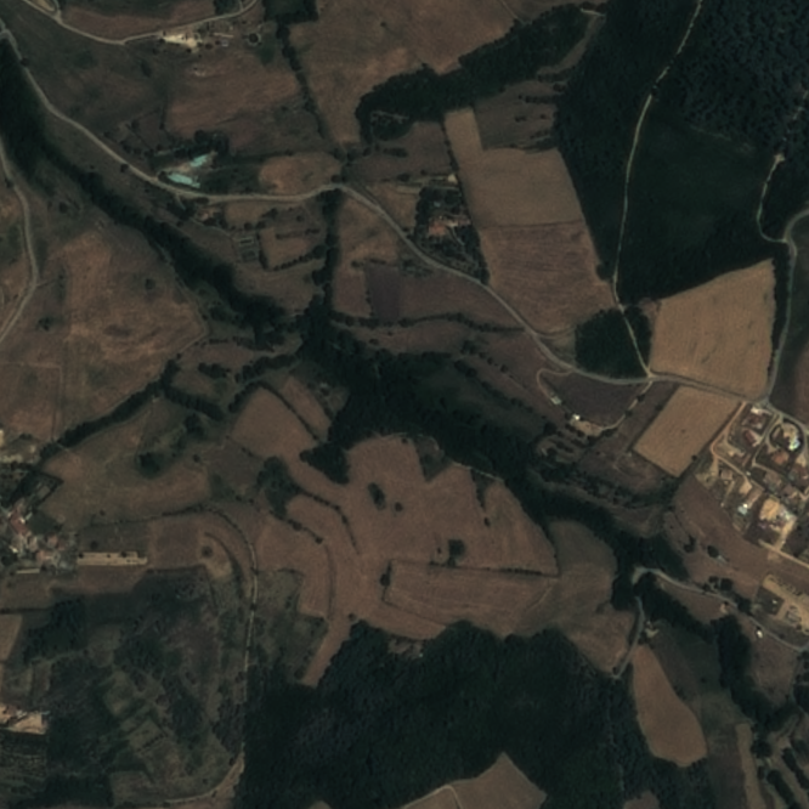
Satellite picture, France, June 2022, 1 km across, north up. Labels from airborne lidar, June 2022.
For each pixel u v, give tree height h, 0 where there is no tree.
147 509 0
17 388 0
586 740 10
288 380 0
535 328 0
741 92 9
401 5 0
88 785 10
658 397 0
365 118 9
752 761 0
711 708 0
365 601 0
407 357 14
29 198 0
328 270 14
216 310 6
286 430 0
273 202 0
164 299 0
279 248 0
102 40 0
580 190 8
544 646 9
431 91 11
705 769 10
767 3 29
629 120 9
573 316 0
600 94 13
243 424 0
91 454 0
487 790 0
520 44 7
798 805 15
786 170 13
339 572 0
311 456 14
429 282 0
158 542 0
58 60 0
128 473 0
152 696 0
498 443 23
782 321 10
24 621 0
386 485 0
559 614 0
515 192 0
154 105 0
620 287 7
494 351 0
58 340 0
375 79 0
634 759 19
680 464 0
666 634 0
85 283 0
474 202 0
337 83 0
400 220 0
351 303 0
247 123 0
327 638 0
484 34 0
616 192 6
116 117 0
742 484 0
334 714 11
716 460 0
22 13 0
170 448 0
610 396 0
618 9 9
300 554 0
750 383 0
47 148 16
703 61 11
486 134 0
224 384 0
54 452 8
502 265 0
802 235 0
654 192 7
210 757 0
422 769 12
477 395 0
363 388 8
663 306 0
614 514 9
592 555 0
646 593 18
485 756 9
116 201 16
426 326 0
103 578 0
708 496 0
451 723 9
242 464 0
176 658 0
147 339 0
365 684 21
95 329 0
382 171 0
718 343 0
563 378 0
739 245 9
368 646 24
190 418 11
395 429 8
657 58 12
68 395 0
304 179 0
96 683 6
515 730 8
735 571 0
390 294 0
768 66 29
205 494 0
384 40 0
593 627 0
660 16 20
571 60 0
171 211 11
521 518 0
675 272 11
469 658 18
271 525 0
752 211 6
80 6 0
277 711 10
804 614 0
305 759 20
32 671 0
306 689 14
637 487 0
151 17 0
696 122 28
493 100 0
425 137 0
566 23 8
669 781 15
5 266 0
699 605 0
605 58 14
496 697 8
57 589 0
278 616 0
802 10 29
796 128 27
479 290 0
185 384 0
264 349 6
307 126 0
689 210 6
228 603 0
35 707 0
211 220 11
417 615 0
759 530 0
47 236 0
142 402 9
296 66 12
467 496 0
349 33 0
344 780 17
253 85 0
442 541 0
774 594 0
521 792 0
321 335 17
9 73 7
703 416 0
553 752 11
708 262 10
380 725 18
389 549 0
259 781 18
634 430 0
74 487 0
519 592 0
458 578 0
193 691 0
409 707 17
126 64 0
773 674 0
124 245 0
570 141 9
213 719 0
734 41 30
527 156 0
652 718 0
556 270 0
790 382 0
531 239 0
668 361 0
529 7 0
